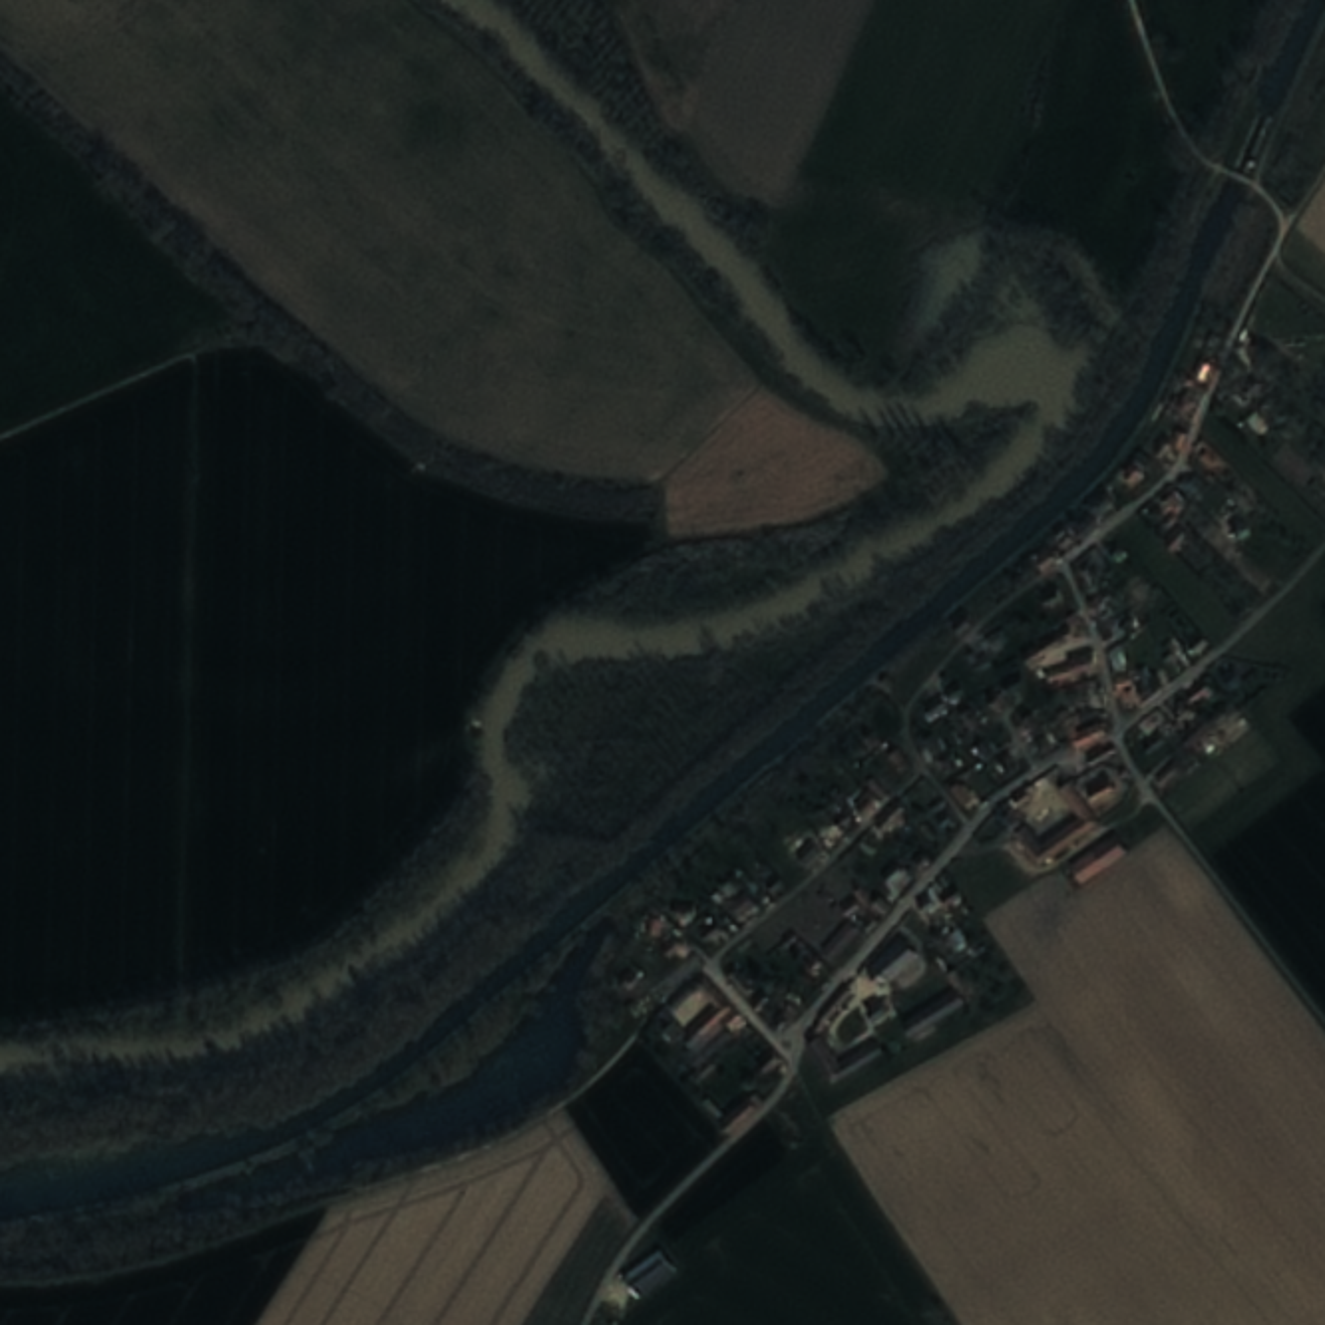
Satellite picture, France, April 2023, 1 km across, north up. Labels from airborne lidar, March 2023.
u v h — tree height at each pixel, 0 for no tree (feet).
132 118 0
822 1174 0
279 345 63
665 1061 35
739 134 0
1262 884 0
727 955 0
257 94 0
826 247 0
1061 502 0
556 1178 0
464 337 0
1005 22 0
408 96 0
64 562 0
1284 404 46
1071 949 0
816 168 0
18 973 0
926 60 0
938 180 0
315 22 0
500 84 0
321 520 0
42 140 0
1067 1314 0
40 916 0
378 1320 0
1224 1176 0
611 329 0
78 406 0
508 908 48
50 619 0
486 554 0
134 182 68
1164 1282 0
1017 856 0
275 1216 49
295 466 0
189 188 0
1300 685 0
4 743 0
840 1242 0
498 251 0
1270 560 0
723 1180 0
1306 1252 0
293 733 0
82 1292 0
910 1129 0
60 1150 30
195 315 0
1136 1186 0
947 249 0
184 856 0
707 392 0
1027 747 0
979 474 38
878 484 0
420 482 0
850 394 0
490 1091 0
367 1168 62
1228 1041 0
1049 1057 0
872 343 0
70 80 0
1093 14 0
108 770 0
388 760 0
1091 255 60
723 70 0
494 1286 0
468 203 0
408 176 0
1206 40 0
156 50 0
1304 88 0
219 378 0
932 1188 0
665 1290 0
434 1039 0
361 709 0
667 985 0
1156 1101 0
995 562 0
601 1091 0
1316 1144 0
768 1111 0
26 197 0
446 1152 63
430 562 0
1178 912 0
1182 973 0
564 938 0
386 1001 85
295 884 0
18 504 0
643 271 0
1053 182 0
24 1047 55
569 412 0
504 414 0
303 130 0
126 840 0
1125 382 31
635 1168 0
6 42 0
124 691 0
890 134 0
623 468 0
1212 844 0
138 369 0
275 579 0
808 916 0
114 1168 0
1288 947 0
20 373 0
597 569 0
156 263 0
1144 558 0
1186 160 55
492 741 0
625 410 0
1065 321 65
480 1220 0
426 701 0
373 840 0
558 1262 0
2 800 0
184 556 0
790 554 35
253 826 0
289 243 0
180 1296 0
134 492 0
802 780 40
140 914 0
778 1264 0
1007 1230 0
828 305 0
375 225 0
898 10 0
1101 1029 0
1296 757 0
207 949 0
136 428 0
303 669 0
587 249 0
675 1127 0
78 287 0
